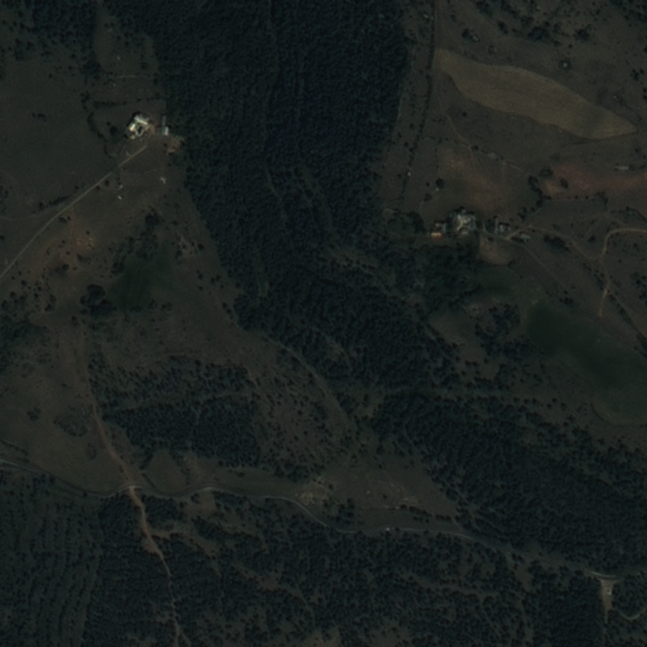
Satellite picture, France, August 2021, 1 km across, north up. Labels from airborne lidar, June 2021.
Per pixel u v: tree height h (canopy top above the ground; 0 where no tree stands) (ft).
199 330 0
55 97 0
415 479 0
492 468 41
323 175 36
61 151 0
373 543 31
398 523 0
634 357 0
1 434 0
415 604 33
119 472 0
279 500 0
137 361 0
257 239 39
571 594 30
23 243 0
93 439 0
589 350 0
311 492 0
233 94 37
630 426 0
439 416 55
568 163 0
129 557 32
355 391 0
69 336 0
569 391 0
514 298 0
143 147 0
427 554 30
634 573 0
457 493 27
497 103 0
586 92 0
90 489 0
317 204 32
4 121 0
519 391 0
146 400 30
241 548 24
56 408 0
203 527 28
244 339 0
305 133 37
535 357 0
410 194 0
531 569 26
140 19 21
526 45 0
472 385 29
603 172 0
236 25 39
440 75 0
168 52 27
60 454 0
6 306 24
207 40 32
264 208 39
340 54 53
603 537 24
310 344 45
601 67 0
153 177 0
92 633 37
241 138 45
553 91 0
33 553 23
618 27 0
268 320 36
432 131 0
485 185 0
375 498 0
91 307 29
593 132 0
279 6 48
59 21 41
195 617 25
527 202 0
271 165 52
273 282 22
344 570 24
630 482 21
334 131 44
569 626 30
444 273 29
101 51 0
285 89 49
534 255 0
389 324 28
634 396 0
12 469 0
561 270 0
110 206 0
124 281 0
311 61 40
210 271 0
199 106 37
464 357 0
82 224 0
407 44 22
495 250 0
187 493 0
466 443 47
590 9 0
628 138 0
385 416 32
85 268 0
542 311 0
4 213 0
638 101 0
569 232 0
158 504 29
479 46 0
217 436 44
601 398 0
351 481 0
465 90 0
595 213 0
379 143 28
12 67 0
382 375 25
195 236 0
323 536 22
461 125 0
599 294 0
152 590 36
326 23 59
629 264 0
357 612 27
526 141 0
